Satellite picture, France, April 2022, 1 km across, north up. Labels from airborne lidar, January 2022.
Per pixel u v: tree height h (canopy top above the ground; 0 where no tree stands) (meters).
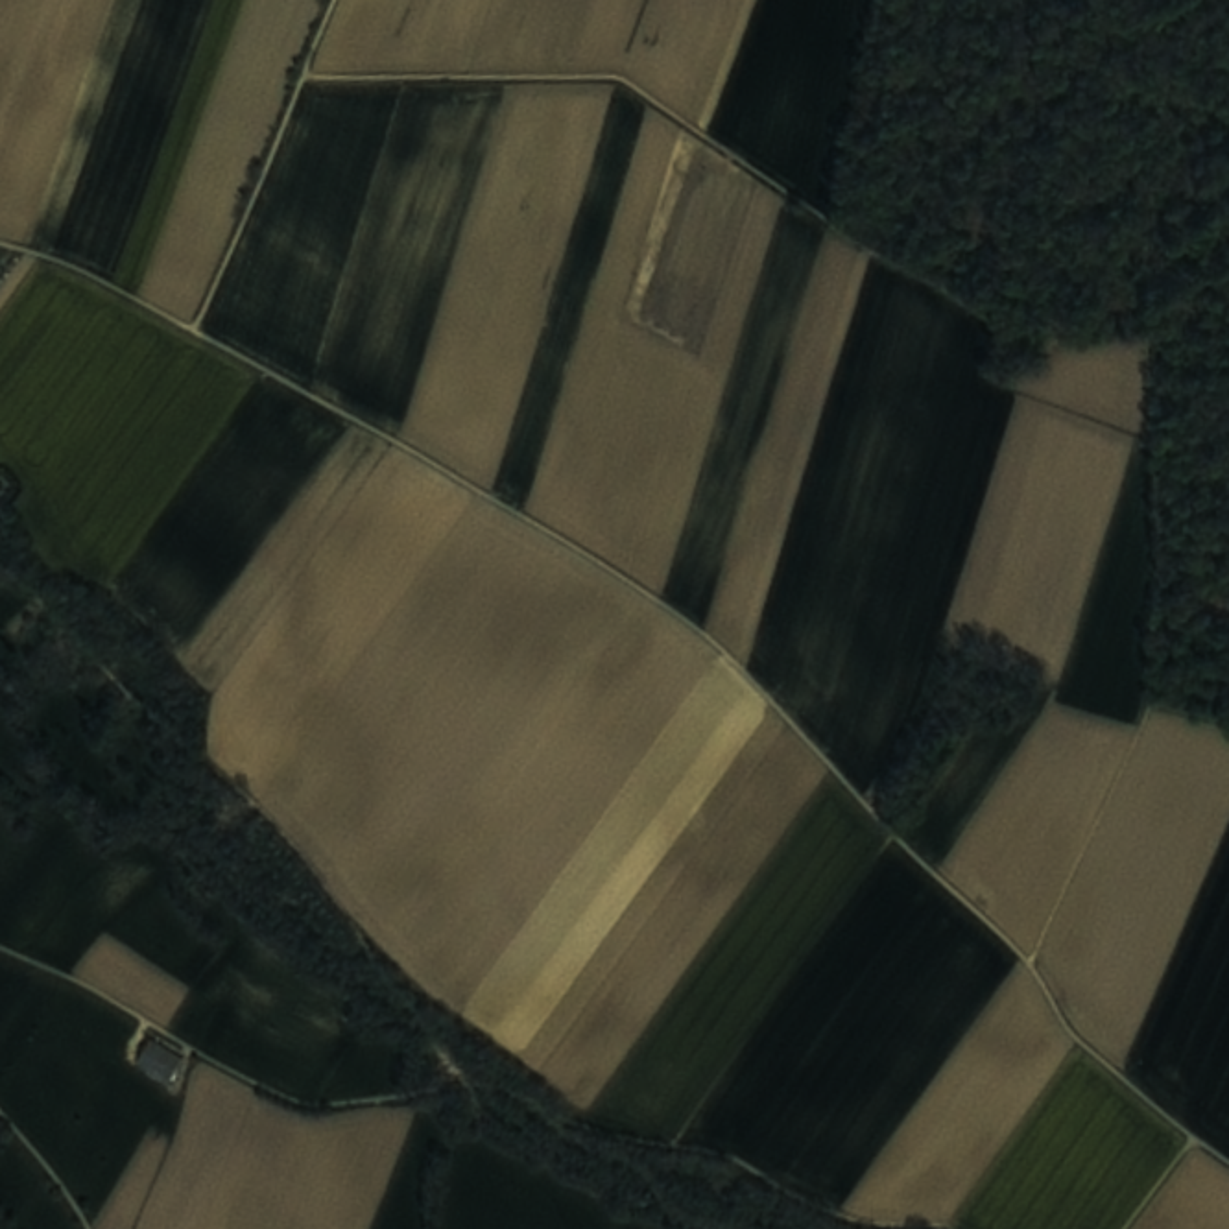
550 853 0
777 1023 0
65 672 15
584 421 0
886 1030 0
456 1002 0
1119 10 35
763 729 0
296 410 0
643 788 0
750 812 0
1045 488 0
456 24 0
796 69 0
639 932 0
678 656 0
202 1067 0
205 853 26
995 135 18
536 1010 0
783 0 0
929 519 0
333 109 0
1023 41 38
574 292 0
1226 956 0
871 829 0
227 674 0
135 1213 0
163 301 0
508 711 0
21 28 0
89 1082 0
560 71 0
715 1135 0
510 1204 0
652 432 0
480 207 0
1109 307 35
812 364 0
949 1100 0
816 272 0
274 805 0
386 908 0
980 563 0
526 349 0
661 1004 0
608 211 0
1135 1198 0
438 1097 26
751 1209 28
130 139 0
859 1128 0
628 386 0
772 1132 0
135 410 0
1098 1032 0
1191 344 29
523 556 0
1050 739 0
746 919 0
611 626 0
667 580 0
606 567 0
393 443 0
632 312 18
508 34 0
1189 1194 0
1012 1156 0
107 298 0
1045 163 36
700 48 0
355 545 0
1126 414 0
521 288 0
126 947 0
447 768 0
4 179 0
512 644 0
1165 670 26
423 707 0
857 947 0
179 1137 0
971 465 0
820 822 0
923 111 26
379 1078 0
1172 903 0
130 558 0
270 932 32
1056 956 0
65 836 0
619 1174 25
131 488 0
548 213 0
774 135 0
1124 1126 0
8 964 0
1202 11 34
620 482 0
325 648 0
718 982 0
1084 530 0
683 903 0
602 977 0
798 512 0
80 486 0
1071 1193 0
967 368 0
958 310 0
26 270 0
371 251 0
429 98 0
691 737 0
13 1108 0
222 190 0
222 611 0
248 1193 0
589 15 0
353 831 0
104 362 0
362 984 20
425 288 0
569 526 0
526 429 0
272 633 0
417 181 0
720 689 0
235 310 0
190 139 0
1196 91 33
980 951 0
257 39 0
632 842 0
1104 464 0
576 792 0
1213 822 0
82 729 0
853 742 0
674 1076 0
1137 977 0
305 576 0
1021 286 31
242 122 0
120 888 0
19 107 0
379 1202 0
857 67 16
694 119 0
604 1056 0
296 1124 0
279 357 0
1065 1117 0
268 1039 0
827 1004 0
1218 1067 0
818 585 0
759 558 0
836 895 0
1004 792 0
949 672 21
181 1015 0
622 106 0
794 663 0
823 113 0
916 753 29
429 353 0
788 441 0
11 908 0
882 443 0
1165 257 36
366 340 0
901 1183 0
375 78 0
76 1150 0
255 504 0
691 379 0
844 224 26
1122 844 0
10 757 0
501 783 0
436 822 0
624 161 0
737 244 0
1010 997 0
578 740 0
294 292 0
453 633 0
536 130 0
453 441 0
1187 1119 0
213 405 0
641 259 13
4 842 0
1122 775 0
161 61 0
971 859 0
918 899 0
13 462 0
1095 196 16
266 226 0
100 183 0
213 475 0
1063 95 9
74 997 0
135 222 0
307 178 0
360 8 0
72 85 0
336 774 0
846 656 0
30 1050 0
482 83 0
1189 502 33
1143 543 0
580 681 0
